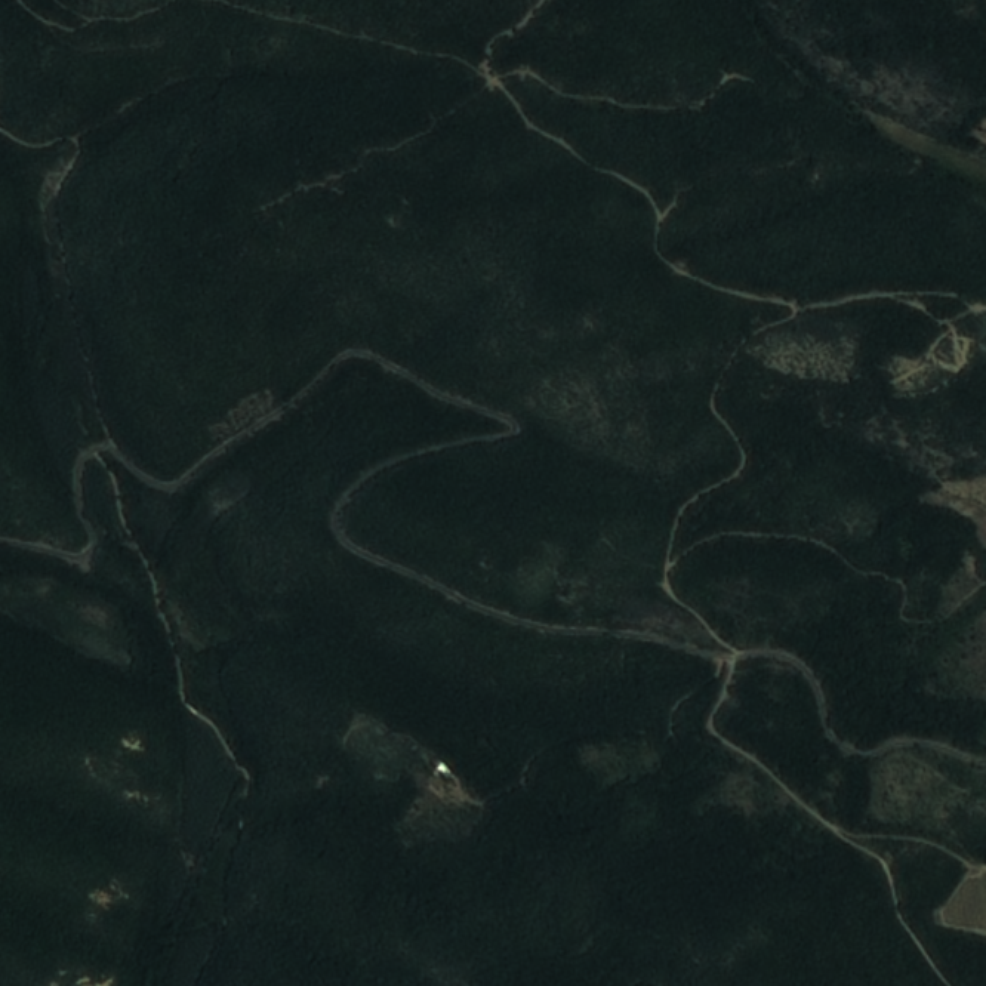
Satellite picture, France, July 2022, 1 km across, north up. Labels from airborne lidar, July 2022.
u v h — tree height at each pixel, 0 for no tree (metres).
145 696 9
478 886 8
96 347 8
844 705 8
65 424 6
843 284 6
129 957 9
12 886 8
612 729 10
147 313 5
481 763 11
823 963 6
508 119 7
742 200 7
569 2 8
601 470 6
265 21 8
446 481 6
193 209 6
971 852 8
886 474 8
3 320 10
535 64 7
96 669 9
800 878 7
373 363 8
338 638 8
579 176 7
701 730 5
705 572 8
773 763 7
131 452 6
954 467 7
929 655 5
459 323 6
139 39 7
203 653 7
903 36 6
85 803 8
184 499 5
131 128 7
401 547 6
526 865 8
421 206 7
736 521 8
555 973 8
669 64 6
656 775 7
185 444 7
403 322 6
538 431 7
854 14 7
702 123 7
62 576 10
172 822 7
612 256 6
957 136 8
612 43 8
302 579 6
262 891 6
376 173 8
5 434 7
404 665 7
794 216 9
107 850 7
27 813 12
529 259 6
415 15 6
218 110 6
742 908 6
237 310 6
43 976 5
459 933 8
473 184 6
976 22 6
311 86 6
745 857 10
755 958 7
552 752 7
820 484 7
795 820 6
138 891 7
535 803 11
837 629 7
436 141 6
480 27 6
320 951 13
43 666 11
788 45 8
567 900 6
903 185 8
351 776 7
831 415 7
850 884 7
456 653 6
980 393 9
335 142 7
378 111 6
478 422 10
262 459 9
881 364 8
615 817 6
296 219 6
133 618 8
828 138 8
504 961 7
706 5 10
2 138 7
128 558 10
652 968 7
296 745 7
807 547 7
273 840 6
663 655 7
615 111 7
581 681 8
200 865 10
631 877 8
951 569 7
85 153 6
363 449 7
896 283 6
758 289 9
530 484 7
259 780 7
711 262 6
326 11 6
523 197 7
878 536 8
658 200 6
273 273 8
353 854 10
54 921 10
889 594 6
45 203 0
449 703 8
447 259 6
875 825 6
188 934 6
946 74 5
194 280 6
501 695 11
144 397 6
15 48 6
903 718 11
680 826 8
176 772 6
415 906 11
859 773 9
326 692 7
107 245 5
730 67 7
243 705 8
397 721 8
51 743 6
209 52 8
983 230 6
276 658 6
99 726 8
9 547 8
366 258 5
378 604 7
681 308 6
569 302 6
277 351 8
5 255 9
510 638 6
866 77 7
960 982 8
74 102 6
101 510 7
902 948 6
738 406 6
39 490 6
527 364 6
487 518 6
